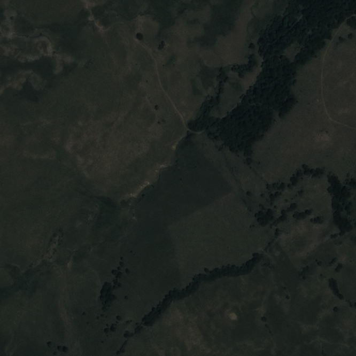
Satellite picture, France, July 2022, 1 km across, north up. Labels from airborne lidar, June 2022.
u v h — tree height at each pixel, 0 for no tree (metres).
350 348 0
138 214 0
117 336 0
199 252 0
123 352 6
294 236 0
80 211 0
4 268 0
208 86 0
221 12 0
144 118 0
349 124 0
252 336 0
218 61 0
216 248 0
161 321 0
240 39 0
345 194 12
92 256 0
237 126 9
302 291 0
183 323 0
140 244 0
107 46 0
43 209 0
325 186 0
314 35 10
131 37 0
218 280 0
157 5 0
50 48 0
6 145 0
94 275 0
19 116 0
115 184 0
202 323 0
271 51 16
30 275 0
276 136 0
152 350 0
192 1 0
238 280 0
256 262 7
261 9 0
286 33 7
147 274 0
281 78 10
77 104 0
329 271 0
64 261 0
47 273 0
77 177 0
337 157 0
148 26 0
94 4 0
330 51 0
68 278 0
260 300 0
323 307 0
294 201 0
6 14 0
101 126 0
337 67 0
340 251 0
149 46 0
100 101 0
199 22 0
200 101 0
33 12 0
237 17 0
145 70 0
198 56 0
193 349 0
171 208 0
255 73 0
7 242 0
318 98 0
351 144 0
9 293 0
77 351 0
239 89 0
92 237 0
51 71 0
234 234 0
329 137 0
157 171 0
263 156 0
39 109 0
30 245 0
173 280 0
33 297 0
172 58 0
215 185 0
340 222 11
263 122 12
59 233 0
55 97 0
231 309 0
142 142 0
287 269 0
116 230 0
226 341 0
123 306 0
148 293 0
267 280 0
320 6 14
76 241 0
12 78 0
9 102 0
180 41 0
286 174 0
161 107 0
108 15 0
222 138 6
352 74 0
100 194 0
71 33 0
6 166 0
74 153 0
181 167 0
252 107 6
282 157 0
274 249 0
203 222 0
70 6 0
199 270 0
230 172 0
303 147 0
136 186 0
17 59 0
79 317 0
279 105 11
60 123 0
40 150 0
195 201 0
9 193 0
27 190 0
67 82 0
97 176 0
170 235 0
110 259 0
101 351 0
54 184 0
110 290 11
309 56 7
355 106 0
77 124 0
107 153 0
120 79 0
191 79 0
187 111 0
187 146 0
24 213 0
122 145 0
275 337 0
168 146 0
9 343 0
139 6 0
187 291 7
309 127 0
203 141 0
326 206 0
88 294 0
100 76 0
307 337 0
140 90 0
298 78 0
